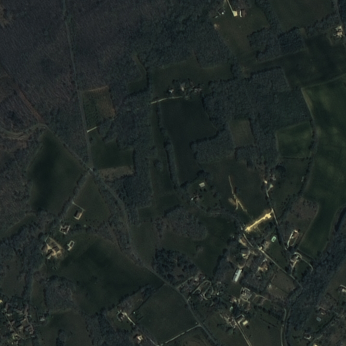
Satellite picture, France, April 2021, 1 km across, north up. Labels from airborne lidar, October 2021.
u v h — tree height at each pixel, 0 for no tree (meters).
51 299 23
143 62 15
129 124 13
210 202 0
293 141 0
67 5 12
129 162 0
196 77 0
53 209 0
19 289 0
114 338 23
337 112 0
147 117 18
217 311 6
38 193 0
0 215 9
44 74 13
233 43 0
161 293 0
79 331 0
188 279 8
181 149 0
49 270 0
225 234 0
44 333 0
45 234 6
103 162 0
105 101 6
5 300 11
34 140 16
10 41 19
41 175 0
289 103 6
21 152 14
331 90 0
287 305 16
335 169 0
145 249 0
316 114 0
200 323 0
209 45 20
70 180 0
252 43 7
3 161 0
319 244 0
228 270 16
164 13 20
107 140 14
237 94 19
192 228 24
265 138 20
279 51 20
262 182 0
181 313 0
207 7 20
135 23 15
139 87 0
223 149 22
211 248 0
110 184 17
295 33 16
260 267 16
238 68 16
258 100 10
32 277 15
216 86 14
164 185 0
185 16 13
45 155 0
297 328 17
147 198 18
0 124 15
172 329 0
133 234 0
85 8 12
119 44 21
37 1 18
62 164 0
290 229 18
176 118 0
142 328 15
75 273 0
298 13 0
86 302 0
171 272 8
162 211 0
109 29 15
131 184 23
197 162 17
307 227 0
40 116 9
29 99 17
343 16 18
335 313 13
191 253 0
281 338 0
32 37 18
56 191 0
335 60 0
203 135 0
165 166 0
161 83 0
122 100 16
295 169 0
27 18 18
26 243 11
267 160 17
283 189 0
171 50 22
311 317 0
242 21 0
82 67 14
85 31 15
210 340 7
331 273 16
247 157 17
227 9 0
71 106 11
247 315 9
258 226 0
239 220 13
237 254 9
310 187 0
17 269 0
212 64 20
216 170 0
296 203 7
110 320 0
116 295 0
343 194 0
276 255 0
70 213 0
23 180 16
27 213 11
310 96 0
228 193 0
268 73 18
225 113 18
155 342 20
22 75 20
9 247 15
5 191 14
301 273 0
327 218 0
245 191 0
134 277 0
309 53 0
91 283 0
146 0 17
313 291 9
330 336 15
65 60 9
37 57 15
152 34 19
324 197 0
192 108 0
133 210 15
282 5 0
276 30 12
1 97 7
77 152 12
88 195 0
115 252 0
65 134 18
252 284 19
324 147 0
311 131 0
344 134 0
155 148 13
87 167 9
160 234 8
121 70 24
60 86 13
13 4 17
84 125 9
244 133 0
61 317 0
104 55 20
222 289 8
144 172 19
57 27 13
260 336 0
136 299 0
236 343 0
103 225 12
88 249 0
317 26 12
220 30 0
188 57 12
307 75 0
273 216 14
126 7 20
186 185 13
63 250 8
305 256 10
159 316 0
